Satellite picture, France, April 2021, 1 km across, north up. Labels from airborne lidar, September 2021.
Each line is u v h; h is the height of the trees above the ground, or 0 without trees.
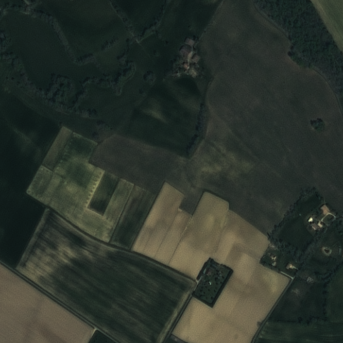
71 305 0
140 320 0
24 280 0
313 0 0
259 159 0
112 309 0
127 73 18
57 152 0
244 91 0
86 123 0
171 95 0
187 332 0
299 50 18
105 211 0
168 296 0
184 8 0
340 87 16
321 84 0
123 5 0
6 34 16
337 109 0
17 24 0
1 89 0
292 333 0
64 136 0
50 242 0
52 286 0
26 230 0
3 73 0
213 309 0
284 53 0
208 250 0
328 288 18
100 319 0
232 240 0
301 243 0
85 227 0
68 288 0
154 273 0
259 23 0
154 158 0
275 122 0
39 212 0
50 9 0
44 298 0
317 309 0
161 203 0
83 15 0
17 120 0
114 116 0
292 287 0
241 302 0
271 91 0
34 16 13
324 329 0
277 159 0
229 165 0
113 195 0
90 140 0
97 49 0
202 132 19
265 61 0
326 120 0
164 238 0
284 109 0
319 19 18
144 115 0
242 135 0
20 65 19
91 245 0
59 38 25
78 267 0
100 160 0
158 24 12
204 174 0
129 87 0
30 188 0
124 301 0
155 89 0
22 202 0
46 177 0
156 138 0
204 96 0
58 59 0
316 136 0
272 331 0
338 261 11
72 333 0
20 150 0
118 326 0
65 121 0
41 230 0
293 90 0
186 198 0
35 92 19
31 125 0
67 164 0
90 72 0
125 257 0
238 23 0
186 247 0
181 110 0
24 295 0
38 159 0
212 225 0
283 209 0
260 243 0
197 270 0
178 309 0
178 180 0
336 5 0
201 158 0
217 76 0
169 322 0
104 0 0
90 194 0
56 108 20
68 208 0
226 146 0
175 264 0
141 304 0
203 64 0
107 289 0
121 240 0
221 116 0
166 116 0
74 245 0
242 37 0
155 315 0
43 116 0
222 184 0
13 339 0
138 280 0
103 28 0
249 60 0
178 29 0
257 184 0
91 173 0
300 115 0
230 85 0
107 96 0
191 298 0
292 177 0
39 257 0
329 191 0
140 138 0
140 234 0
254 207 0
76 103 13
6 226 0
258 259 0
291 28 24
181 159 0
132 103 0
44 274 0
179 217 0
